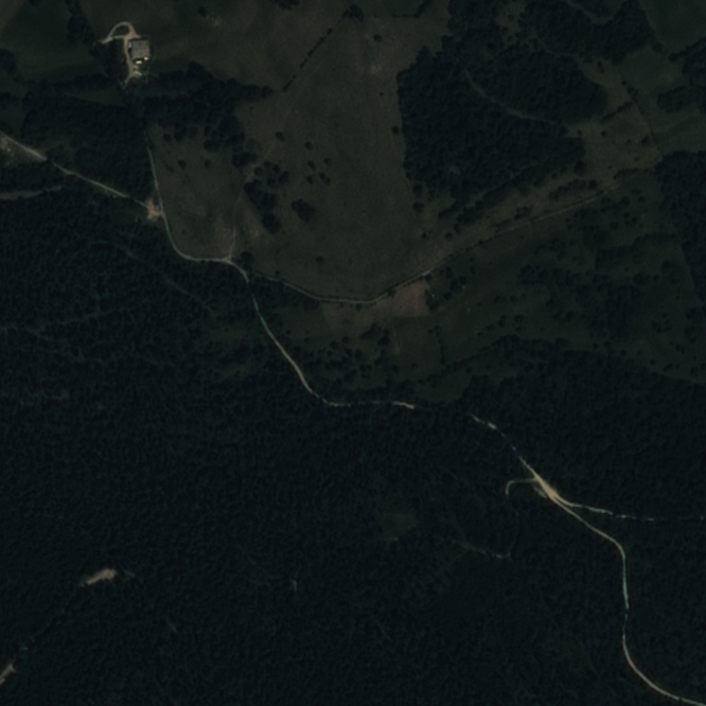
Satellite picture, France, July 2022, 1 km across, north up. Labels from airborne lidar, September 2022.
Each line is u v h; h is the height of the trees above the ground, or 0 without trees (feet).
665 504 23
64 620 51
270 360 22
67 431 107
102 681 27
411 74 28
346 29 0
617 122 0
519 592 19
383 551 22
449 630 25
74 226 54
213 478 91
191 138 0
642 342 0
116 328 73
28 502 48
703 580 27
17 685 38
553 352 25
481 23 31
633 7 34
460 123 80
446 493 22
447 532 25
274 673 88
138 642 50
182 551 79
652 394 46
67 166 25
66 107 49
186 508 102
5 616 28
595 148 0
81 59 0
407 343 0
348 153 0
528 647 57
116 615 39
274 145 0
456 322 0
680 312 0
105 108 44
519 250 0
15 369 63
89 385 41
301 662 89
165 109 64
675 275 24
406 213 0
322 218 0
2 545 26
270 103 0
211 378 20
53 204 61
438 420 53
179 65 0
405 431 65
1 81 0
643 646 45
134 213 0
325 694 73
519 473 63
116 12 0
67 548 43
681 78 0
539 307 0
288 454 65
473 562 19
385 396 52
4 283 40
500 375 0
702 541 58
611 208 21
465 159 64
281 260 0
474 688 38
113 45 35
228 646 85
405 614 23
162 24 0
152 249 56
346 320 0
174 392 53
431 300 28
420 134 61
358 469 62
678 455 52
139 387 31
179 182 0
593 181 25
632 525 37
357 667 70
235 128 54
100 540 64
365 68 0
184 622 55
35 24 0
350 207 0
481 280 0
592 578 22
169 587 54
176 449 74
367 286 0
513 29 0
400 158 0
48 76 0
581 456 83
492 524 53
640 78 0
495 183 34
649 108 0
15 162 0
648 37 38
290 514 77
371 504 66
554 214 0
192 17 0
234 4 0
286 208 0
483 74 44
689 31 0
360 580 56
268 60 0
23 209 50
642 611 22
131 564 23
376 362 30
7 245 44
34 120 54
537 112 54
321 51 0
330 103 0
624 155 0
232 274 52
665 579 33
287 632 79
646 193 0
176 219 0
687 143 0
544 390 34
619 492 39
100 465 87
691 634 22
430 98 58
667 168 64
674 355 0
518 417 69
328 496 41
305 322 0
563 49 24
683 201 62
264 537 75
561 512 39
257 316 39
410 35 0
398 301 0
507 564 23
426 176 44
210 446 47
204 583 84
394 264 0
